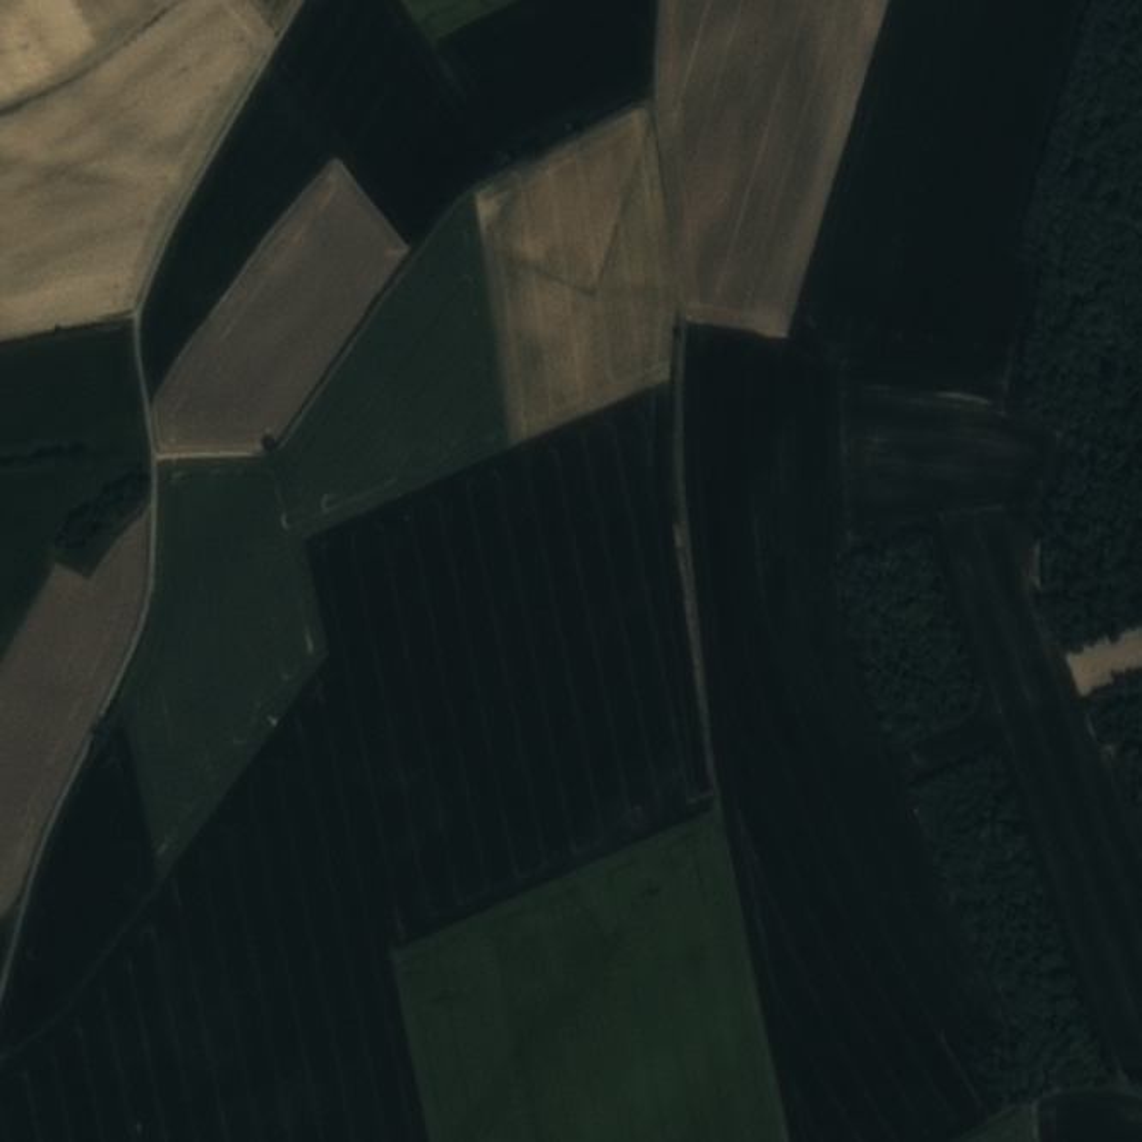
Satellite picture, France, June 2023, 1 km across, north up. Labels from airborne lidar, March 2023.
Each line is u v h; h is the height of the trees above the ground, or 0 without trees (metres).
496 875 0
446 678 0
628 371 0
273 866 0
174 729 0
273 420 0
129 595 0
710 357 0
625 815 0
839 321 0
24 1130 0
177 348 0
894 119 0
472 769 0
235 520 0
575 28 0
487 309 0
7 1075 0
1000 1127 0
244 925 0
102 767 0
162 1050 0
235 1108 0
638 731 0
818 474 0
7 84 0
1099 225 17
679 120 0
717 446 0
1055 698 0
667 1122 0
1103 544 23
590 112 0
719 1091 0
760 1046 0
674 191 0
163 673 0
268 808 0
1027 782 0
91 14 0
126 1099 0
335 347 0
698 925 0
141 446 0
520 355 0
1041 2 0
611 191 0
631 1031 0
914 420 0
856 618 15
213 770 0
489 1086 0
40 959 0
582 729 0
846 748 0
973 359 0
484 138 0
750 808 0
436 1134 0
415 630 0
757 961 0
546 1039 0
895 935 0
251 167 0
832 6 0
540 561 0
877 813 0
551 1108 0
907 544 18
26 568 0
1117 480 17
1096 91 15
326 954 0
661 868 0
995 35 0
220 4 0
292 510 0
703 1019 0
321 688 0
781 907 0
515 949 0
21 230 0
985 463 0
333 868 0
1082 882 0
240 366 0
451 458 0
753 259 0
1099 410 20
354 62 0
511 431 0
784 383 0
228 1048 0
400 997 0
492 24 0
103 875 0
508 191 0
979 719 0
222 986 0
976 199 0
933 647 17
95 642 0
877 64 0
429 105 0
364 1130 0
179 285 0
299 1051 0
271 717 0
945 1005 0
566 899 0
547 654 0
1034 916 7
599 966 0
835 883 0
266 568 0
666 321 0
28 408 0
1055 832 0
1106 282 20
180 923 0
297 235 0
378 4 0
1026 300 0
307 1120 0
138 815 0
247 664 0
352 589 0
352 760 0
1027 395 16
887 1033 0
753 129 0
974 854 13
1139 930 0
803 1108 0
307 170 0
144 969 0
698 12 0
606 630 0
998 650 0
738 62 0
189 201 0
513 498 0
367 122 0
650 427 0
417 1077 0
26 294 0
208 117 0
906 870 0
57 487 0
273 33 0
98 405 0
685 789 0
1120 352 24
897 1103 0
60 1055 0
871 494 0
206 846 0
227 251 0
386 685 0
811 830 0
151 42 0
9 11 0
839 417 0
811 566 0
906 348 0
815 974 0
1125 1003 0
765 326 0
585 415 0
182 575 0
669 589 0
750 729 0
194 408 0
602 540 0
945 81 0
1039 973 20
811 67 0
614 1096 0
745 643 0
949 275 0
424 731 0
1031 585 0
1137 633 0
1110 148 18
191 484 0
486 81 0
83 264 0
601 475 0
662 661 0
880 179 0
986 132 0
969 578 0
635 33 0
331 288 0
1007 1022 0
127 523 0
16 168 0
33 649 0
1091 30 13
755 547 0
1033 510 0
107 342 0
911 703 15
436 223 0
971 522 0
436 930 0
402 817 0
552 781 0
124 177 0
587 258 0
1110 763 0
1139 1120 0
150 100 0
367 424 0
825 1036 0
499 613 0
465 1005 0
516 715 0
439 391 0
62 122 0
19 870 0
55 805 0
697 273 0
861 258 0
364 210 0
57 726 0
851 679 0
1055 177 19
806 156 0
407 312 0
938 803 11
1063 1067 16
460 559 0
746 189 0
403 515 0
